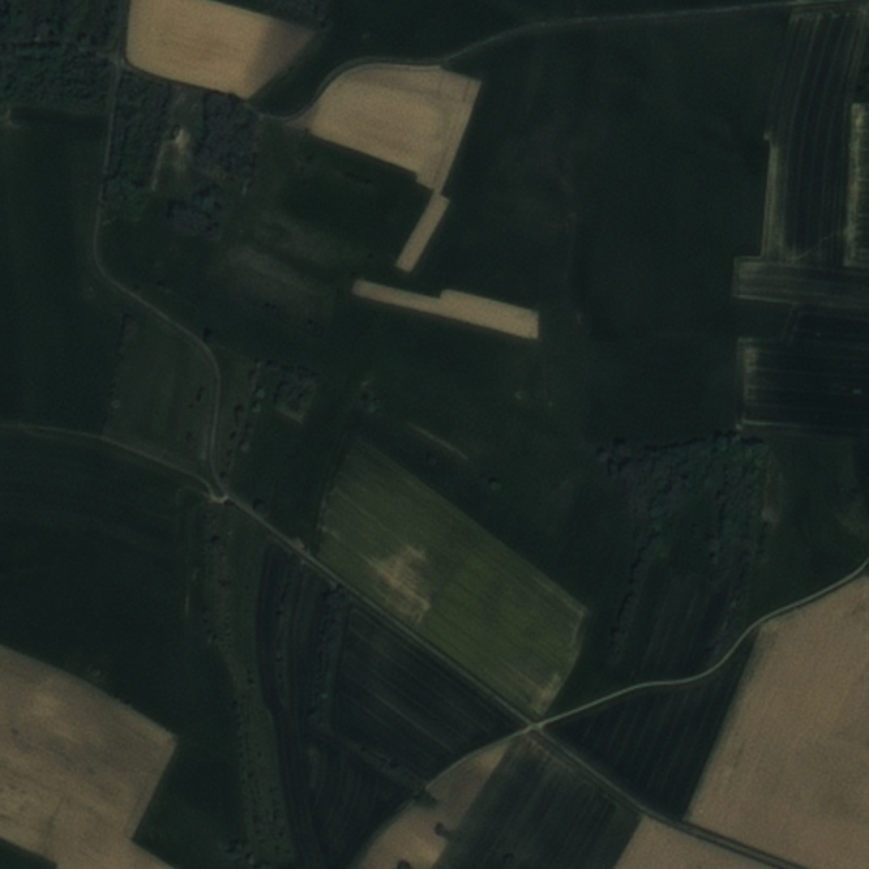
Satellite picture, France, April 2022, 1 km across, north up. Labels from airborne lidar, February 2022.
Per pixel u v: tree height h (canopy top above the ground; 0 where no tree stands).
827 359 0
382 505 0
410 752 0
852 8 0
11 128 0
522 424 0
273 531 0
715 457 10
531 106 0
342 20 0
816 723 0
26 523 0
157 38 0
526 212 0
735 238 0
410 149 0
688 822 0
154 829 0
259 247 0
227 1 0
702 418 0
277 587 0
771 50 0
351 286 0
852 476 0
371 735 0
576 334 0
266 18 0
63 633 0
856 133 0
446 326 0
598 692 0
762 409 0
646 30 0
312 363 0
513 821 0
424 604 0
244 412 12
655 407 0
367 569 0
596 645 0
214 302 0
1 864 0
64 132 0
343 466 0
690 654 0
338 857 0
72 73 17
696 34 0
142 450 0
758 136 0
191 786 0
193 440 12
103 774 0
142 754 0
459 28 0
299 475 0
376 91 0
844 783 0
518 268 0
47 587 0
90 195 0
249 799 0
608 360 0
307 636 0
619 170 0
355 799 0
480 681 0
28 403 0
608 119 0
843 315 0
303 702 0
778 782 0
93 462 0
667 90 0
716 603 0
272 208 0
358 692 0
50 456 0
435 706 0
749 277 0
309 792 0
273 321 0
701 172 0
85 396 0
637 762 0
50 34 0
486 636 0
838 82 0
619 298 0
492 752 0
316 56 0
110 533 0
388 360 0
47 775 0
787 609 0
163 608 0
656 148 0
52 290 0
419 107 0
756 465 7
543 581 0
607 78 0
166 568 0
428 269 0
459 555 0
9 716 0
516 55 0
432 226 0
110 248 0
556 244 0
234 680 0
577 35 0
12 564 0
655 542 15
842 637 0
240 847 7
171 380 0
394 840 0
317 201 0
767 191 0
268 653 0
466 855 0
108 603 0
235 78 0
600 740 0
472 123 0
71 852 0
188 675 0
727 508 8
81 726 0
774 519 0
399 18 0
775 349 0
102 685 0
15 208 0
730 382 0
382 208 0
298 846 0
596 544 0
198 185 0
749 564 6
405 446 0
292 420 0
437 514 0
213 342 15
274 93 0
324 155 0
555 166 0
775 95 0
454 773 0
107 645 0
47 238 0
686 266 0
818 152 0
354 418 0
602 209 0
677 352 0
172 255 0
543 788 0
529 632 0
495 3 0
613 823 0
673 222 0
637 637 0
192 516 0
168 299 0
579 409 0
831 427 0
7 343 0
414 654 0
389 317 0
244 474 0
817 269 0
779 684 0
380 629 0
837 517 0
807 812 0
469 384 0
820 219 0
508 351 0
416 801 6
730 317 0
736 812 0
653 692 0
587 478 0
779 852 0
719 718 0
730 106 0
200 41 0
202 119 0
